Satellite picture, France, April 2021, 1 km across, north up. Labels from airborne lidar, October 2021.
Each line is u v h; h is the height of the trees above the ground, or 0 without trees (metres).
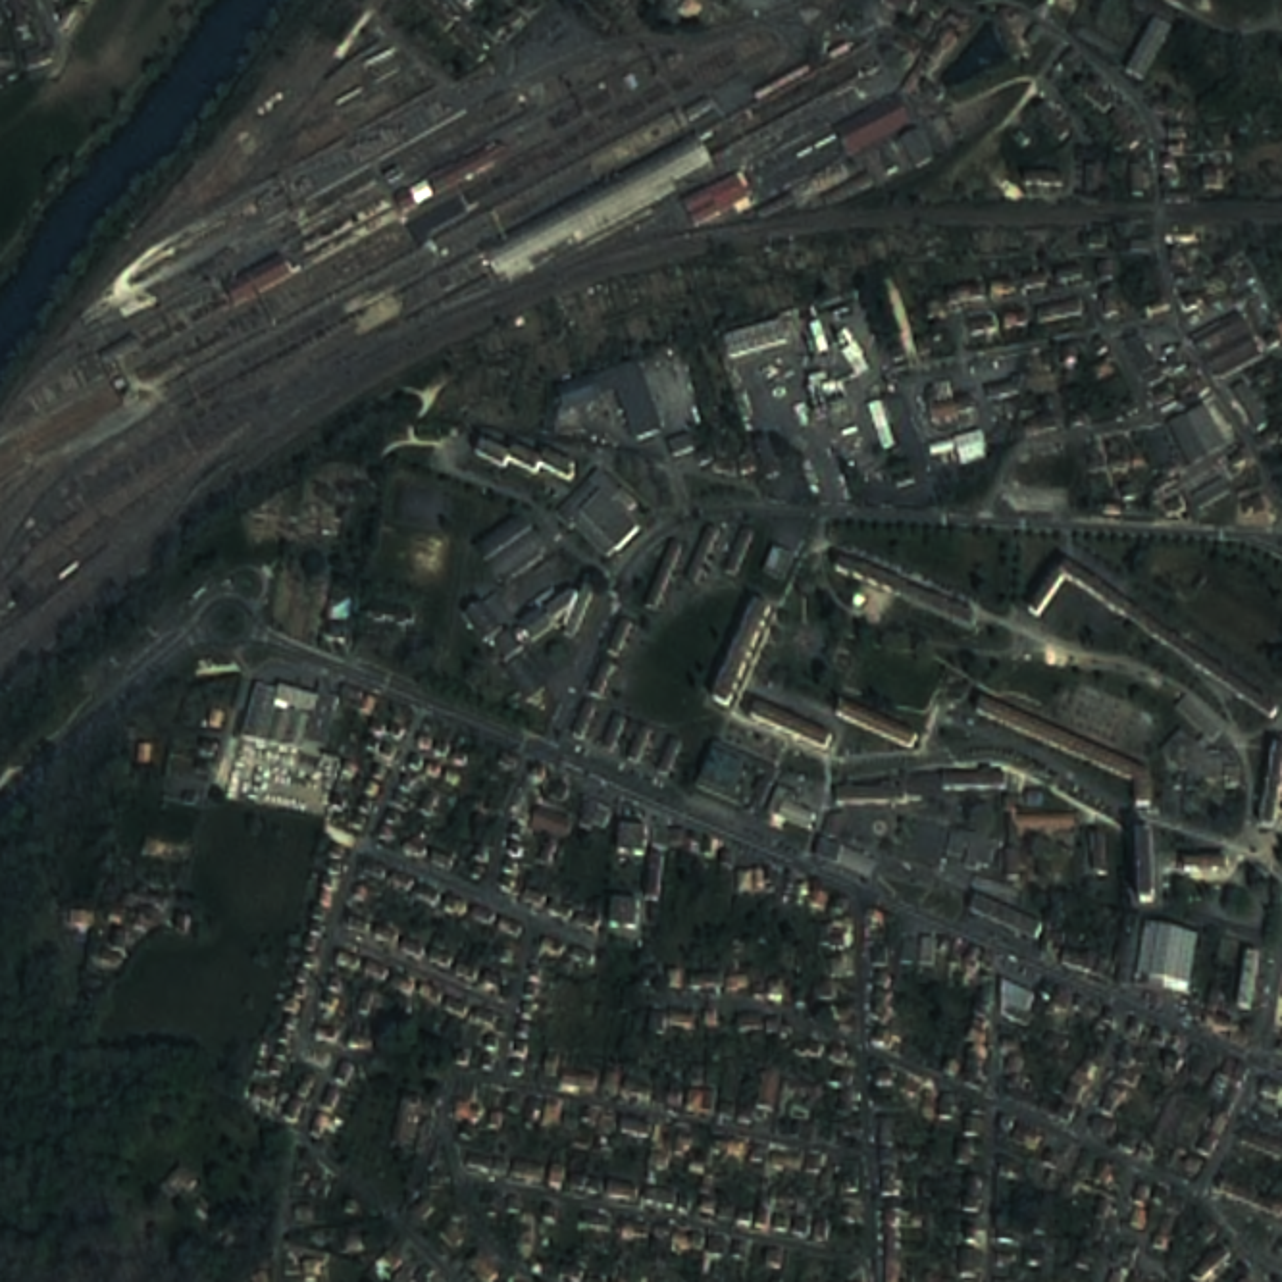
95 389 0
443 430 0
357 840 0
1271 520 0
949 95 5
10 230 0
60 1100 16
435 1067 8
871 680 0
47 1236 20
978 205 0
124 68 0
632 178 0
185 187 0
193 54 0
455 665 0
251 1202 20
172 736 8
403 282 0
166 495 0
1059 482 0
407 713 5
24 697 20
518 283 0
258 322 0
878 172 0
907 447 0
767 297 0
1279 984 0
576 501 0
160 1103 23
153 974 0
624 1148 14
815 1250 0
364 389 0
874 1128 0
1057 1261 5
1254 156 0
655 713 0
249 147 0
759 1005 0
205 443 0
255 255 0
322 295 0
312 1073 6
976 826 23
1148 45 0
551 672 0
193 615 0
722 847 0
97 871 7
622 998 6
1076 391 6
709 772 0
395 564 0
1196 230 0
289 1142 9
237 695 0
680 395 0
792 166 0
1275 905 9
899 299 0
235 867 0
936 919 0
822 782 0
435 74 0
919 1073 0
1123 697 6
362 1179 6
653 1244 9
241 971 0
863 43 0
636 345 9
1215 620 0
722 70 0
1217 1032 0
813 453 0
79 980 7
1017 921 0
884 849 8
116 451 0
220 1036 0
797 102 0
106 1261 10
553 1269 6
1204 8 0
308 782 0
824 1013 16
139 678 0
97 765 18
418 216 0
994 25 7
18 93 0
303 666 0
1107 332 0
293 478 11
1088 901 13
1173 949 0
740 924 0
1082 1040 7
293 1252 6
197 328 0
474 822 9
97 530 0
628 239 0
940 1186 7
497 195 0
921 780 0
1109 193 11
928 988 7
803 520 0
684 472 0
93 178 0
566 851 8
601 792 0
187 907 14
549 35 0
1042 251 7
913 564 0
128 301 0
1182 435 0
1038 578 0
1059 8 0
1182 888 11
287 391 0
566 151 0
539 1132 12
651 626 12
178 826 0
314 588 6
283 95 0
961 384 0
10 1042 22
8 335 0
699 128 0
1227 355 0
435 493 0
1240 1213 0
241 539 0
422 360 0
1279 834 0
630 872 9
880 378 0
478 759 15
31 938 20
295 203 0
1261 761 0
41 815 23
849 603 8
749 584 0
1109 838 0
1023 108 0
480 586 0
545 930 0
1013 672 0
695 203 0
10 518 0
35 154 0
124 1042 0
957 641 9
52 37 0
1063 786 0
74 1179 26
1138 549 10
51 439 0
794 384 0
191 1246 19
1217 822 20
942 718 0
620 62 0
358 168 0
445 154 0
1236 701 6
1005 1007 0
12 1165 24
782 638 8
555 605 0
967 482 15
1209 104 7
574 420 0
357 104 0
